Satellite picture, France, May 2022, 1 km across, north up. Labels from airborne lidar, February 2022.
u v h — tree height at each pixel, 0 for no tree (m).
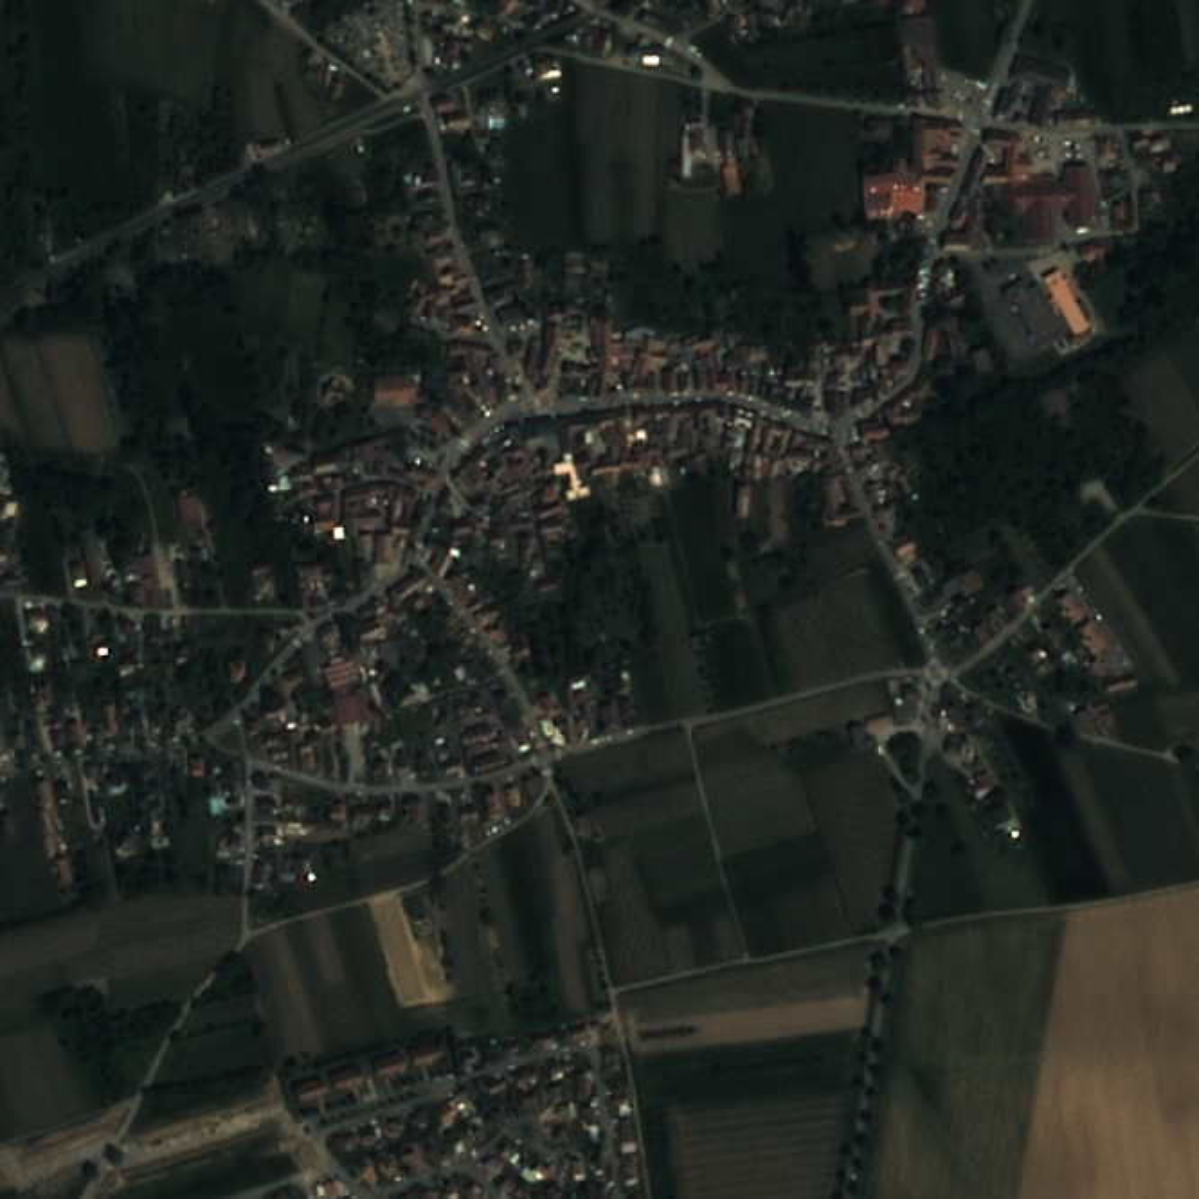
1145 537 0
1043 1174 0
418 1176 0
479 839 0
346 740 0
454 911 0
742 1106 0
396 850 0
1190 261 21
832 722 0
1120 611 0
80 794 6
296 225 0
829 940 0
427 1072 0
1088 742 0
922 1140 0
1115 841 0
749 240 0
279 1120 0
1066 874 0
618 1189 0
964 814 0
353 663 0
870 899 0
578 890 0
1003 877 0
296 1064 9
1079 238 0
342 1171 0
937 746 0
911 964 0
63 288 7
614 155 0
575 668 6
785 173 0
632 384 0
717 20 0
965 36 0
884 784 0
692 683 0
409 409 0
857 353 0
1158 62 0
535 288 0
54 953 0
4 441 0
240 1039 0
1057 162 0
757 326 0
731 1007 0
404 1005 0
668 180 0
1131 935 0
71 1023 9
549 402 0
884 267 11
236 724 0
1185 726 0
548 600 0
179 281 21
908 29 0
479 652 0
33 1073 0
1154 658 0
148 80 0
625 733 0
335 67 0
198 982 0
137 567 0
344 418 12
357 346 0
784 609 0
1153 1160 0
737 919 0
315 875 0
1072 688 11
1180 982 0
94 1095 0
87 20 0
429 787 0
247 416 0
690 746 0
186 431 0
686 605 0
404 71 0
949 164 0
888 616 0
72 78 0
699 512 0
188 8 0
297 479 0
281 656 0
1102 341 0
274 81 0
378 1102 0
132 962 0
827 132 0
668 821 0
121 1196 0
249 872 0
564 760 0
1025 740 0
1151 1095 0
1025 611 0
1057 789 0
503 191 0
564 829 0
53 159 0
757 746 0
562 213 0
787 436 0
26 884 0
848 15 0
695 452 0
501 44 0
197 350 0
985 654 0
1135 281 17
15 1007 0
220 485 0
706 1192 0
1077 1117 0
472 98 0
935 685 0
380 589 0
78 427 0
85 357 0
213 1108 0
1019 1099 0
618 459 0
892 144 5
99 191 0
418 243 0
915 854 0
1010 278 0
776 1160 0
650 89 0
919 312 0
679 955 0
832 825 0
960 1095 0
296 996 0
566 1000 0
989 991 0
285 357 11
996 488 0
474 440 0
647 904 0
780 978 0
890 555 0
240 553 0
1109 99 0
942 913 0
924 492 0
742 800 0
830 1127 0
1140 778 0
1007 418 0
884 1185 0
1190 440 0
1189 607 0
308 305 0
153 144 0
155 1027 7
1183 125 0
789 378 0
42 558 0
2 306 0
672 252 0
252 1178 0
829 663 0
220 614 0
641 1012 0
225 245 0
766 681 0
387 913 0
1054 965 0
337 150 0
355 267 13
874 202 0
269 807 0
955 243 0
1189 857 0
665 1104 0
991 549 0
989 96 0
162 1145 0
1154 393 0
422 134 6
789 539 0
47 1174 0
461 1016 0
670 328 0
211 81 0
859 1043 0
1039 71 0
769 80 0
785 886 0
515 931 0
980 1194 0
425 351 6
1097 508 0
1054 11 0
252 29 0
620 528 10
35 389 0
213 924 0
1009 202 0
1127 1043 0
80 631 14
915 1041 0
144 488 0
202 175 7
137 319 16
